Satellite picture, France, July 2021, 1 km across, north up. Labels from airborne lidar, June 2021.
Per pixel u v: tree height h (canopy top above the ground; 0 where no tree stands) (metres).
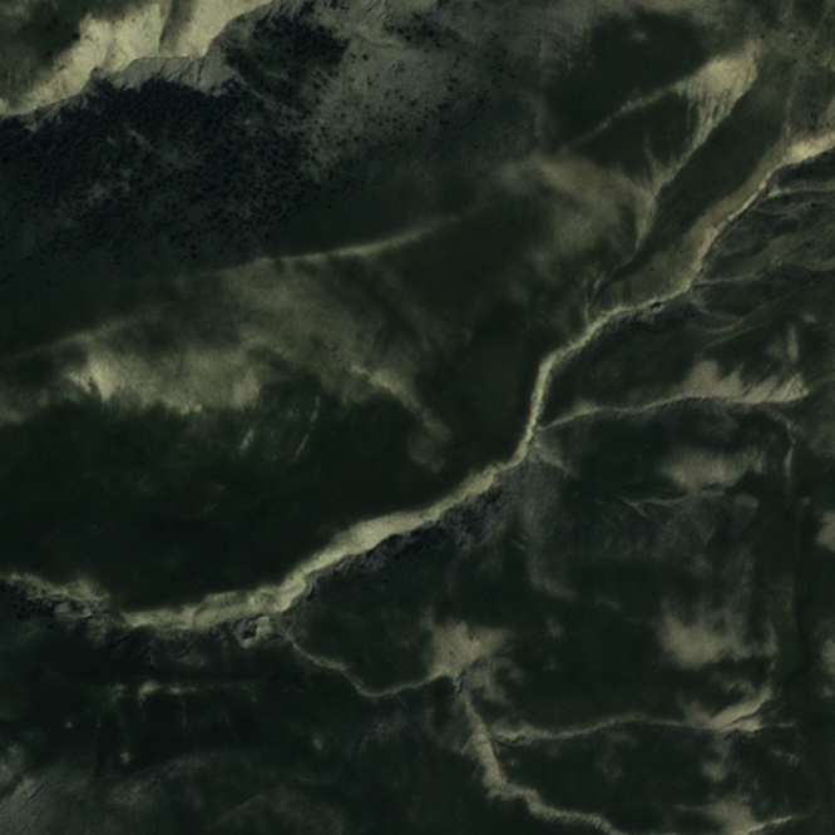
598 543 0
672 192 0
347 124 0
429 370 0
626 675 0
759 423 0
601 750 0
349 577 0
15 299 0
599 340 0
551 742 0
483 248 0
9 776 0
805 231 0
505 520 0
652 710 0
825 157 0
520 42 0
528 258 0
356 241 0
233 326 0
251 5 0
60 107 0
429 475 0
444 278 0
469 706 0
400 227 0
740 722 0
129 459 0
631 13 0
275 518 0
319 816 0
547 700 0
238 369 0
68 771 0
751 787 0
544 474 0
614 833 0
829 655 0
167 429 0
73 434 0
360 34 0
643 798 0
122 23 0
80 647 0
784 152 0
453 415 0
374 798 0
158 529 0
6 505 0
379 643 0
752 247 0
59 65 0
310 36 8
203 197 9
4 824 0
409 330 0
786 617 0
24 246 0
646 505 0
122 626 0
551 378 0
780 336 0
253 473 0
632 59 0
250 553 0
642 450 0
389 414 0
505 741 0
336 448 0
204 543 0
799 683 0
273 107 0
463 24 0
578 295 0
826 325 0
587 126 0
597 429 0
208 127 11
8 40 0
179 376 0
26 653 0
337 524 0
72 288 0
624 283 0
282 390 0
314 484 0
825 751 0
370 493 0
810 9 0
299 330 0
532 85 0
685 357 0
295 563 0
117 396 0
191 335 0
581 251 0
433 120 0
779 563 0
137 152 8
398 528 0
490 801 0
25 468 0
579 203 0
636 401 0
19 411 0
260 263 0
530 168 0
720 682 0
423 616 0
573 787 0
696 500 0
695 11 0
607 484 0
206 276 0
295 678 0
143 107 9
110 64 0
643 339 0
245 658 0
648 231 0
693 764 0
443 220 0
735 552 0
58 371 0
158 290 0
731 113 0
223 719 0
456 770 0
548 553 0
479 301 0
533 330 0
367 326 0
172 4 0
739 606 0
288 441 0
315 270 0
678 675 0
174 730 0
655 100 0
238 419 0
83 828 0
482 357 0
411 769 0
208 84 0
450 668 0
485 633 0
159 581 0
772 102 0
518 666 0
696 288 0
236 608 0
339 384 0
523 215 0
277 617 0
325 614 0
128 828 0
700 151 0
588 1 0
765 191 0
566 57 0
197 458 0
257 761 0
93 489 0
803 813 0
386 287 0
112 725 0
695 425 0
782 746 0
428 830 0
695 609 0
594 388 0
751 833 0
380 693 0
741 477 0
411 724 0
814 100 0
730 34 0
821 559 0
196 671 0
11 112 0
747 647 0
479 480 0
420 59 0
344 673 0
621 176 0
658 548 0
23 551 0
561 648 0
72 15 0
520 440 0
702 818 0
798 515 0
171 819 0
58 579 0
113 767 0
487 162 0
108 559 0
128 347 0
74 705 0
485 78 0
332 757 0
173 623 0
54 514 0
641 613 0
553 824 0
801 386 0
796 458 0
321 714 0
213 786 0
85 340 0
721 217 0
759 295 0
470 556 0
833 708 0
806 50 0
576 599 0
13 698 0
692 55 0
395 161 0
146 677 0
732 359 0
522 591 0
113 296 0
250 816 0
